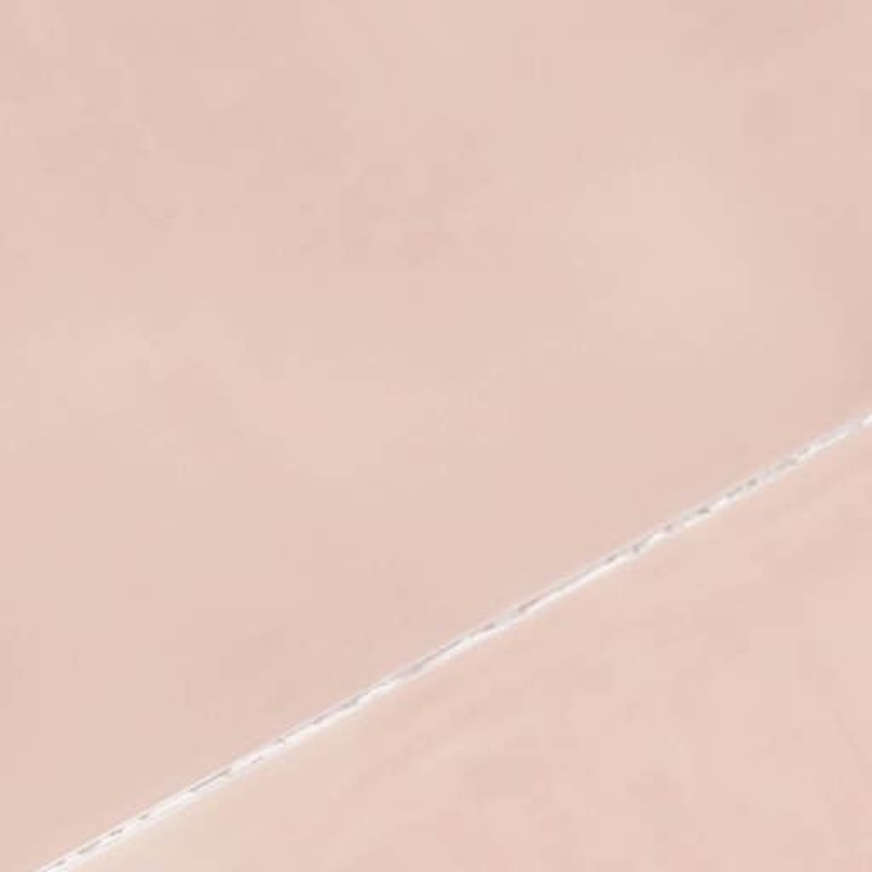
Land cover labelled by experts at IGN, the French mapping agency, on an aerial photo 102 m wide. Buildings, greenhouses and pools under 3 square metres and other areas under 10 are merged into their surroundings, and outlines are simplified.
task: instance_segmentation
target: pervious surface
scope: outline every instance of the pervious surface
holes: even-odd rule
[[[112,824],[99,838],[75,845],[75,852],[48,862],[37,872],[78,872],[82,865],[92,865],[109,852],[123,848],[136,835],[153,831],[177,811],[238,783],[245,773],[266,766],[269,760],[286,756],[313,736],[324,736],[364,715],[375,702],[395,695],[399,688],[422,685],[467,651],[538,620],[555,603],[579,596],[582,589],[634,562],[644,562],[657,545],[678,542],[702,525],[719,521],[722,511],[766,494],[770,487],[800,473],[821,453],[831,453],[841,443],[865,436],[872,429],[872,409],[865,416],[845,419],[841,426],[811,439],[807,446],[783,453],[753,473],[743,473],[719,497],[695,501],[691,511],[664,518],[647,535],[627,538],[613,559],[596,562],[576,572],[572,579],[555,582],[545,593],[514,600],[504,613],[484,620],[473,634],[456,637],[443,651],[429,651],[422,657],[399,664],[388,678],[364,688],[361,695],[351,695],[341,709],[327,709],[320,719],[303,722],[293,732],[225,766],[215,766],[191,787],[157,800],[153,807],[133,814],[123,824]]]

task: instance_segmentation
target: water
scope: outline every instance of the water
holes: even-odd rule
[[[429,651],[443,651],[456,637],[473,634],[484,620],[504,613],[514,600],[545,593],[555,582],[572,579],[576,572],[596,562],[613,559],[627,538],[647,535],[664,518],[691,511],[695,501],[719,497],[743,473],[753,473],[783,453],[807,446],[811,439],[841,426],[845,419],[865,416],[872,409],[872,0],[0,0],[0,872],[37,872],[48,862],[75,852],[75,845],[99,838],[112,824],[123,824],[133,814],[153,807],[157,800],[191,787],[215,766],[225,766],[293,732],[303,722],[320,719],[327,709],[341,709],[351,695],[361,695],[364,688],[388,678],[399,664],[422,657]]]
[[[109,852],[92,865],[82,865],[78,872],[872,872],[872,429],[865,436],[841,443],[831,453],[821,453],[800,473],[770,487],[766,494],[722,511],[719,521],[702,525],[678,542],[657,545],[644,562],[634,562],[582,589],[579,596],[555,603],[538,620],[467,651],[422,685],[399,688],[395,695],[375,702],[364,715],[324,736],[313,736],[286,756],[269,760],[266,766],[245,773],[238,783],[177,811],[153,831],[136,835],[123,848]]]

